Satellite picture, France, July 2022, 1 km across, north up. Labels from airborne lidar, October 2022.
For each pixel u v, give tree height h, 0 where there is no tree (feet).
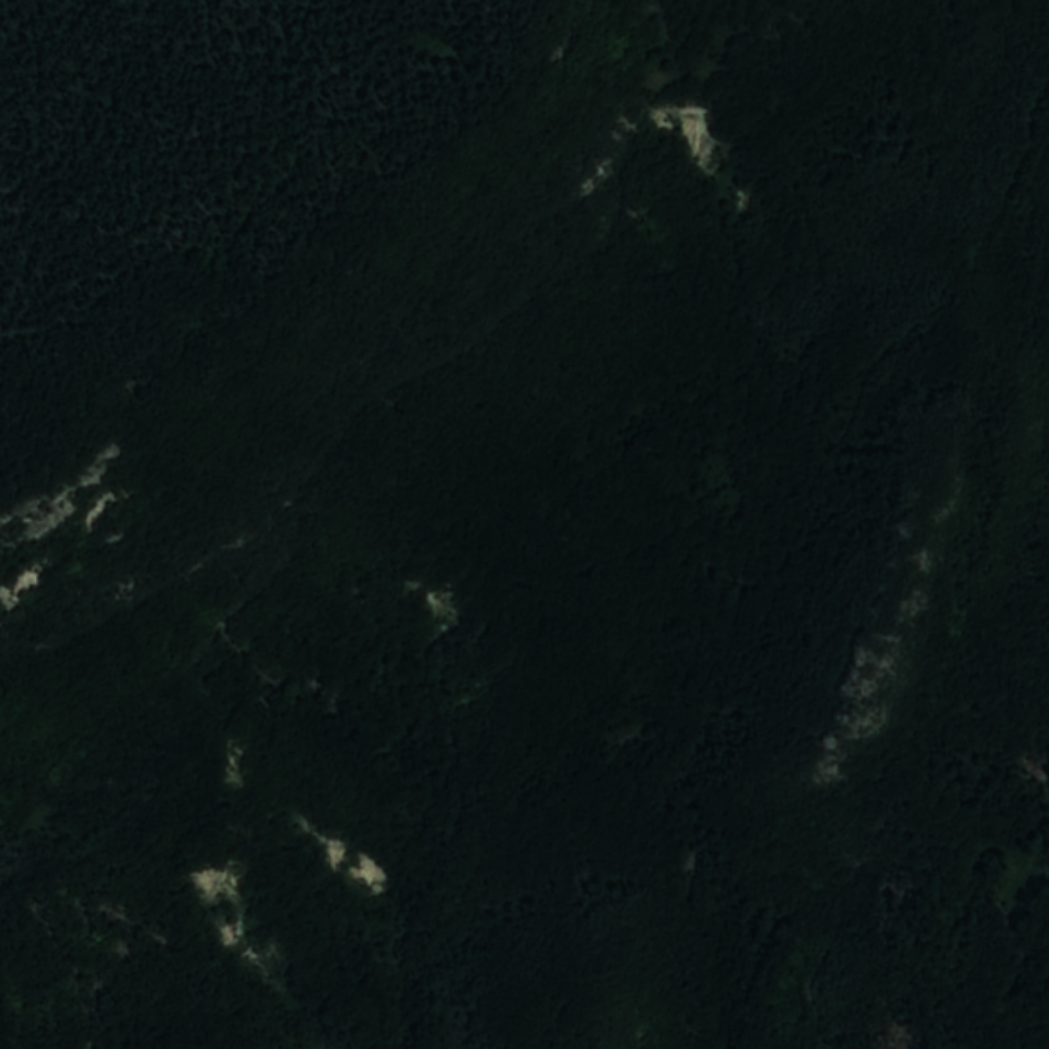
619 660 61
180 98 46
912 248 46
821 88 84
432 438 82
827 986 37
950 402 50
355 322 93
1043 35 65
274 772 57
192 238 39
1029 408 41
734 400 57
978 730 74
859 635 52
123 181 47
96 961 62
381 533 84
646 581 109
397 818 96
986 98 58
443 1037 54
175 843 54
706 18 53
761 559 91
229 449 61
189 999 84
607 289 72
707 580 82
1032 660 101
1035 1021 90
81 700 64
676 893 72
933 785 87
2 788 83
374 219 55
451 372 70
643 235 86
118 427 48
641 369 76
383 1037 61
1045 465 81
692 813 83
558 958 92
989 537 63
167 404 70
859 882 70
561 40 34
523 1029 85
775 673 69
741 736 56
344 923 42
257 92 61
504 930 96
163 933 91
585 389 91
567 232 66
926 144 45
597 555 84
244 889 46
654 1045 41
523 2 27
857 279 39
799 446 75
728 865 66
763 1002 108
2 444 31
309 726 90
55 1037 87
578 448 76
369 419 87
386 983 71
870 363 75
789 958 97
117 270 81
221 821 56
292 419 56
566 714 56
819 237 43
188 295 39
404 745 47
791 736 52
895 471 42
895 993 76
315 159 46
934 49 84
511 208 40
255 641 79
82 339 41
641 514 88
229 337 49
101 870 59
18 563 28
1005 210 52
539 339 87
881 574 30
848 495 68
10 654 26
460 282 58
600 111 34
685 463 58
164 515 63
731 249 50
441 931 76
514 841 80
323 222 58
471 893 54
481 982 85
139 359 44
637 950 49
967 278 31
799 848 96
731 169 55
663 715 63
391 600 66
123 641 67
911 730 56
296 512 47
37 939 82
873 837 57
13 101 42
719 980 49
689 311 100
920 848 86
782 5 47
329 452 50
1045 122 73
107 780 63
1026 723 95
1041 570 99
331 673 76
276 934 42
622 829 96
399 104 32
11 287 47
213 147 56
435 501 77
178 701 66
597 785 74
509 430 90
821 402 92
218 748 44
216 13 49
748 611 93
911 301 72
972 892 83
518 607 66
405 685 73
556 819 85
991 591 48
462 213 60
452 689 30
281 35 26
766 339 26
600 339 73
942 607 49
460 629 21
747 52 51
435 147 28
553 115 48
